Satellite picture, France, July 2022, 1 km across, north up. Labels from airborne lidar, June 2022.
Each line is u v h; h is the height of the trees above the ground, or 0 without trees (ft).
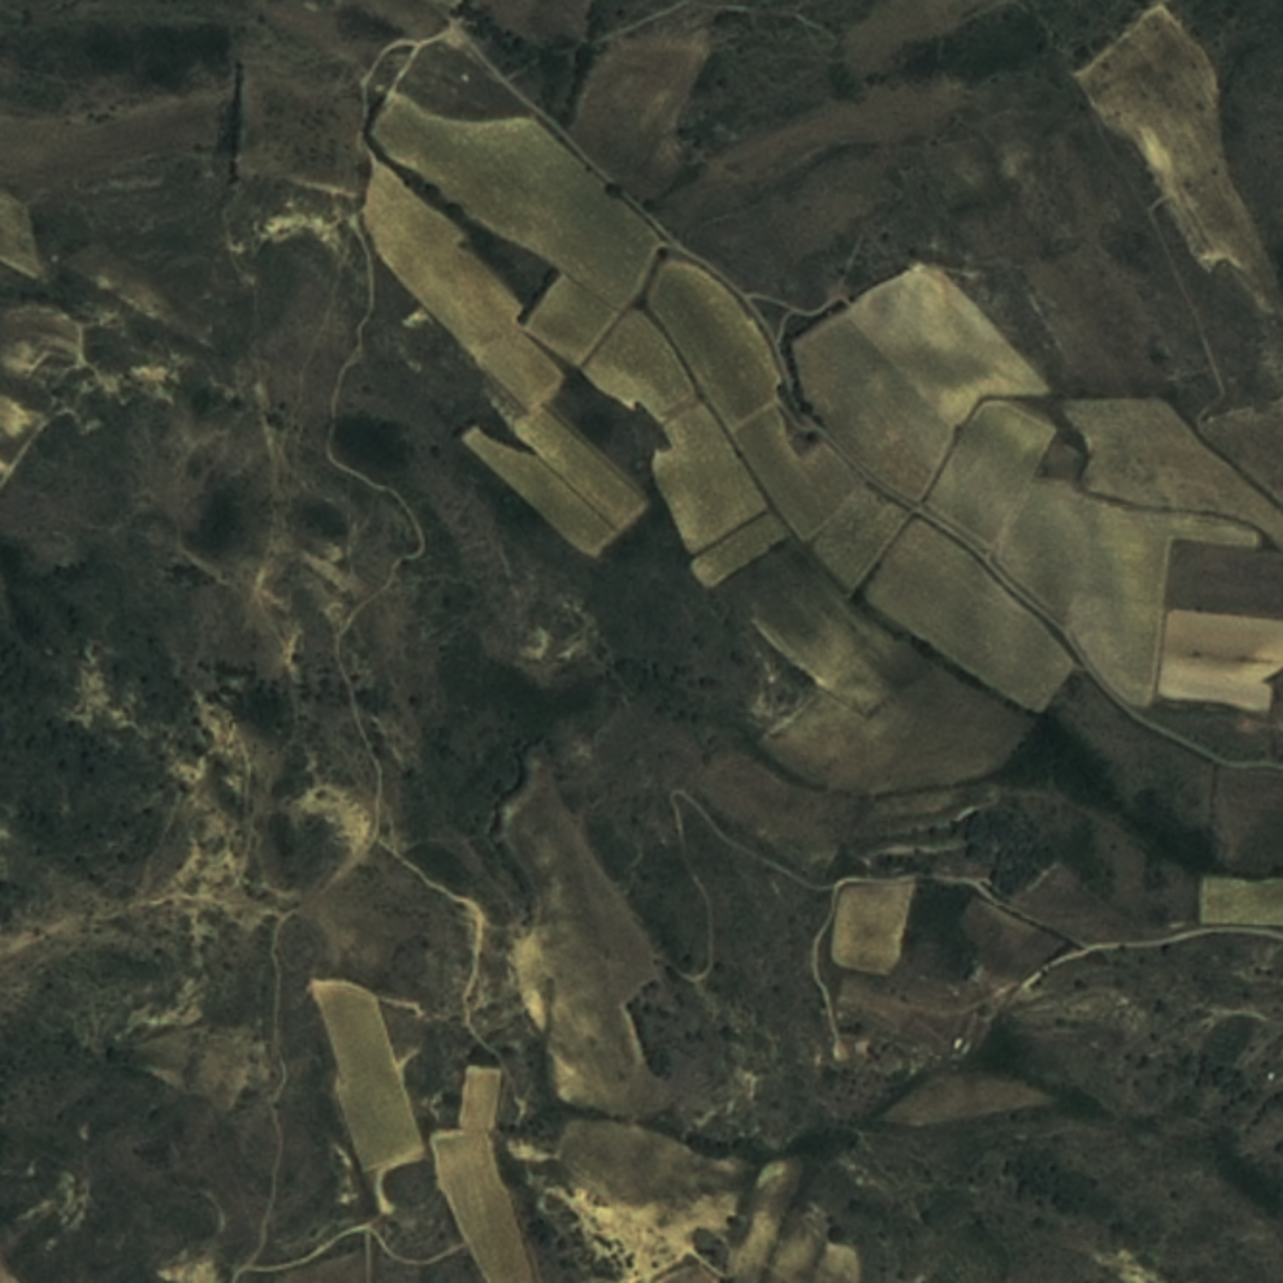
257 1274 0
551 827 0
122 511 0
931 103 0
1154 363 0
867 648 0
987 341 0
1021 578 0
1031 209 0
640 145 0
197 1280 0
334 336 0
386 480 0
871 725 0
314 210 0
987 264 0
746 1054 0
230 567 0
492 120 0
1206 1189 0
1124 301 0
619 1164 0
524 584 0
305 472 0
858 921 0
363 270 0
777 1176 0
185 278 0
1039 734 26
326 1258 0
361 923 0
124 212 0
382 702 23
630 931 0
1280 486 0
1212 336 0
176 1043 0
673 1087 0
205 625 0
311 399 0
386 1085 0
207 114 0
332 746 0
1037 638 0
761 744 0
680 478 0
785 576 0
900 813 0
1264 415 0
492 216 0
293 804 0
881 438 0
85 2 0
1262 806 0
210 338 0
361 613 0
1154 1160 0
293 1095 0
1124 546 0
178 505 0
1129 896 0
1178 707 0
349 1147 0
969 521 0
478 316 0
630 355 0
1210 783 0
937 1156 0
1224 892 0
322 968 0
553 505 0
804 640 0
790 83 0
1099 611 0
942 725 0
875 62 0
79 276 0
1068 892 0
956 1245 0
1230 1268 0
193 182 0
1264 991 0
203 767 0
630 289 0
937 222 0
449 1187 0
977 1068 0
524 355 0
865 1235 0
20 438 0
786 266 0
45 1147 0
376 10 0
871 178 0
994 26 0
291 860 0
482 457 0
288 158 0
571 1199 0
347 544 0
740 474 0
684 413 0
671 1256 0
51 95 0
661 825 0
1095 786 29
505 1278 0
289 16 0
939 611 0
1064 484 0
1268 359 0
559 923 0
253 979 0
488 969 0
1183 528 0
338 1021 0
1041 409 0
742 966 0
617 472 0
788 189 0
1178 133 0
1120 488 0
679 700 0
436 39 0
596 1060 0
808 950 0
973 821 39
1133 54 0
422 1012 0
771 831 0
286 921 0
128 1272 0
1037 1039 0
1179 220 0
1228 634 0
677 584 0
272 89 0
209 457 0
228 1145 0
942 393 0
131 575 0
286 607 0
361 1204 0
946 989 0
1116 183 0
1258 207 0
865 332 0
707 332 0
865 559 0
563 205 0
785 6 0
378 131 0
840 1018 0
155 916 0
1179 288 0
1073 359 0
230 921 0
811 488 0
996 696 0
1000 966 0
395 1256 0
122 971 0
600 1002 0
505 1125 20
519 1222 0
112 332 0
